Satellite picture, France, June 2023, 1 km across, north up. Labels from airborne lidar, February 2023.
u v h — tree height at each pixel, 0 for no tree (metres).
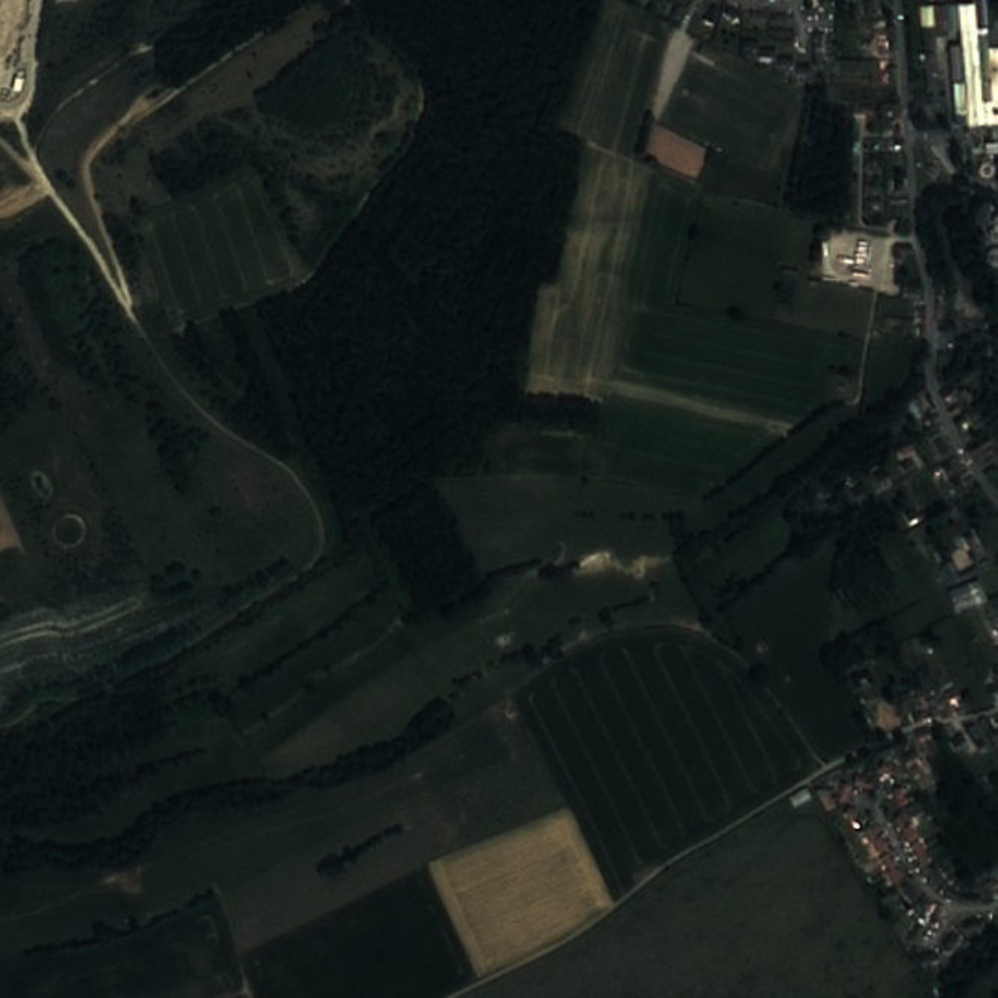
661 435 0
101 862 14
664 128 0
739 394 0
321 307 7
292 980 0
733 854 0
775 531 0
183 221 0
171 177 12
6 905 0
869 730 19
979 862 0
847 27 0
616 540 0
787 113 0
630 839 0
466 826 0
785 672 0
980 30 0
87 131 0
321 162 0
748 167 0
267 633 0
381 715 0
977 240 20
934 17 0
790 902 0
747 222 0
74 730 18
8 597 0
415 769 0
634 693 0
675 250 0
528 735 0
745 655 0
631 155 0
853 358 0
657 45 0
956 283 0
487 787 0
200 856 0
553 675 0
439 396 15
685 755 0
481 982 0
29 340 0
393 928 0
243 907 0
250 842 0
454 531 10
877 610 0
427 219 13
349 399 16
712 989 0
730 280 0
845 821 0
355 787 0
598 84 0
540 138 12
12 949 0
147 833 18
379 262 13
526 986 0
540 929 0
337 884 0
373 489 15
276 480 0
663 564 11
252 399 14
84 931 0
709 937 0
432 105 8
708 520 0
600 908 0
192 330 11
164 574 0
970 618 0
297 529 0
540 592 0
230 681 0
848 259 0
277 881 0
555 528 0
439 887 0
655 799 0
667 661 0
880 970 0
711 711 0
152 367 0
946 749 0
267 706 0
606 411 0
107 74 0
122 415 0
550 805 0
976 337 8
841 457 22
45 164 0
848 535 18
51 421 0
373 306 14
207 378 8
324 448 13
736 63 0
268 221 0
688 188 0
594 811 0
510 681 0
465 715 0
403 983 0
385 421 14
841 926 0
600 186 0
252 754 0
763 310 0
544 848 0
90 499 0
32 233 0
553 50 11
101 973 0
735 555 0
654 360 0
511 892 0
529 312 8
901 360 0
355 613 7
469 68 14
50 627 0
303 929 0
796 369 0
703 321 0
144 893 0
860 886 0
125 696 10
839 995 0
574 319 0
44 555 0
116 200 0
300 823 0
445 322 8
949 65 0
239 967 0
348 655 0
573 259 0
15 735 10
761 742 0
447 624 0
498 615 0
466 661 0
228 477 0
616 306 0
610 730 0
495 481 0
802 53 0
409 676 0
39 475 0
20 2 0
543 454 0
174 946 0
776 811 0
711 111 0
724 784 0
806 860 0
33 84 0
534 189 11
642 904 0
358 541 13
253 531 0
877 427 19
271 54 0
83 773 24
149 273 0
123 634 0
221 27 18
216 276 0
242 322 13
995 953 15
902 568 0
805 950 0
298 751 0
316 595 0
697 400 0
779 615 0
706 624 15
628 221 0
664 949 0
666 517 7
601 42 0
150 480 0
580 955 0
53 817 23
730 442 0
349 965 0
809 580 0
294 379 15
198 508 0
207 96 0
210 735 0
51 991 0
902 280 9
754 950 0
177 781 0
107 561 0
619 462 0
